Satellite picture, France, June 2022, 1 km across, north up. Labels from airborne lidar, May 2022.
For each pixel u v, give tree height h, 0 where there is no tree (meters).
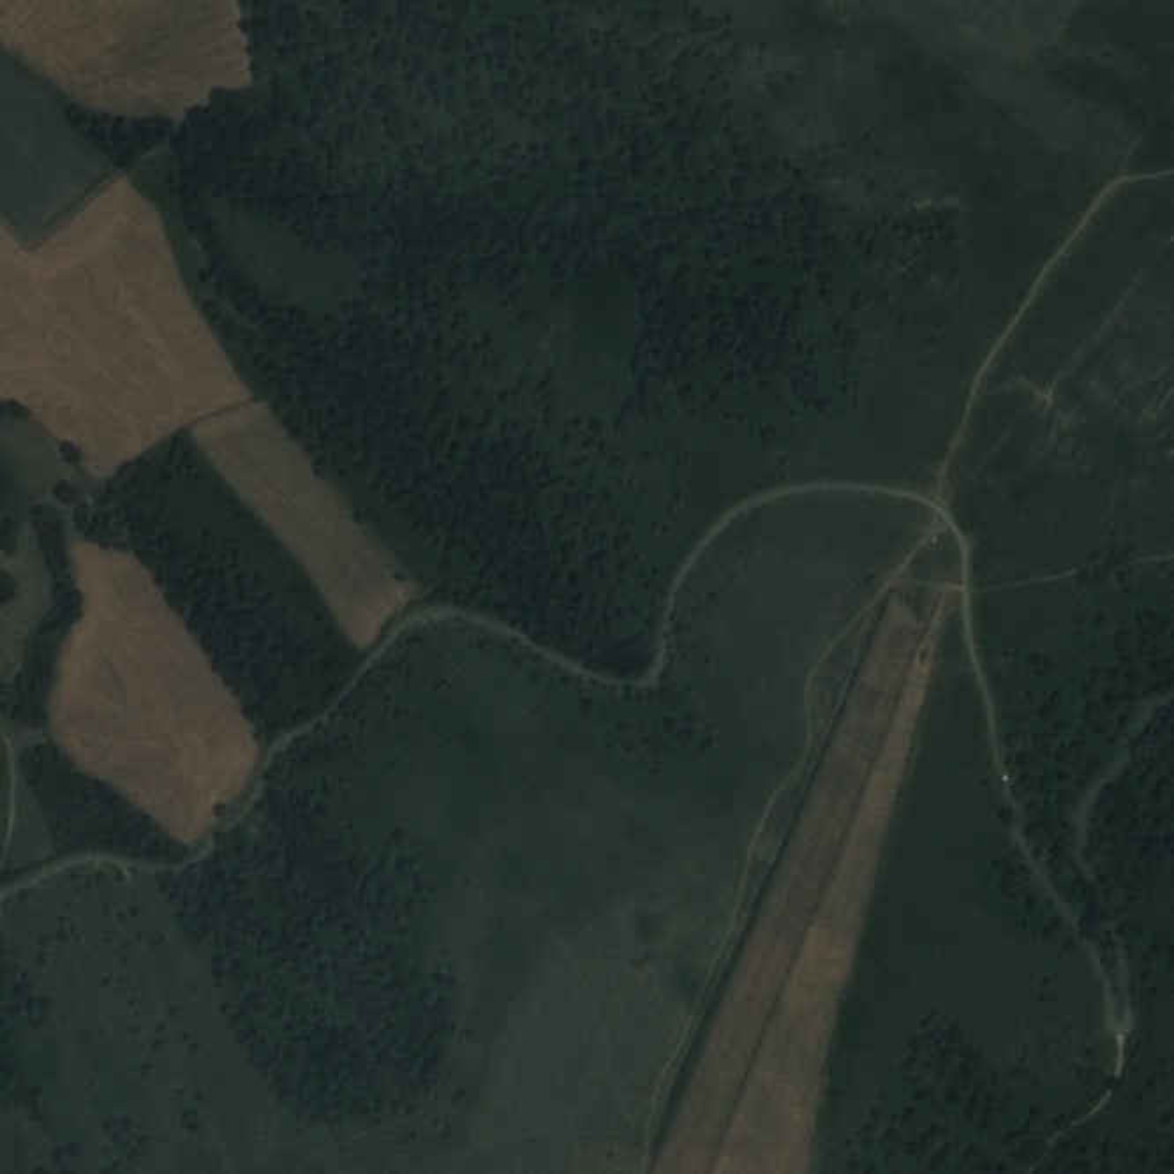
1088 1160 15
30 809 0
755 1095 0
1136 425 0
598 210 21
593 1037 0
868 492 0
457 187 12
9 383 0
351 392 20
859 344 10
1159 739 9
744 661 0
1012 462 0
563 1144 0
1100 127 0
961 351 0
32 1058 0
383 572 0
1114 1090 9
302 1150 0
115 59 0
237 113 12
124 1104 0
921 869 0
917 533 0
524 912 0
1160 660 11
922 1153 13
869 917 0
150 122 8
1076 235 0
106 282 0
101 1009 0
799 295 10
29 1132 0
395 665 6
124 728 0
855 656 0
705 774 0
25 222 0
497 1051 0
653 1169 0
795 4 0
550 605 18
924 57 0
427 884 9
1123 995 11
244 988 8
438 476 17
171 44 0
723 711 0
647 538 0
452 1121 0
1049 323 0
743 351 10
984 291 0
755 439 0
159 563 13
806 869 0
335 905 12
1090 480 0
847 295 0
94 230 0
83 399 0
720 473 0
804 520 0
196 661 0
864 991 0
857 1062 0
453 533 10
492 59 14
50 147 0
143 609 0
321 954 10
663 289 15
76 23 0
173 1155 0
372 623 0
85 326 0
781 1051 0
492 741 0
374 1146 0
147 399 0
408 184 11
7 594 20
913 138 0
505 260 10
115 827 10
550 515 0
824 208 10
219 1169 0
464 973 0
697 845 0
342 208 14
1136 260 0
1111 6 0
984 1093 16
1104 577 11
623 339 0
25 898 10
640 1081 0
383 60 10
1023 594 0
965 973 0
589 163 18
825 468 0
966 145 0
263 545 0
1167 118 0
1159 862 11
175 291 0
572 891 0
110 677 0
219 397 0
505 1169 0
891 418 0
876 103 0
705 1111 0
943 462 0
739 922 0
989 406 0
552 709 0
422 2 14
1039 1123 14
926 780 0
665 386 11
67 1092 0
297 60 9
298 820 14
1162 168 0
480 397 8
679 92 9
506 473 17
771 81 6
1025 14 0
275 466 0
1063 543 0
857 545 0
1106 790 6
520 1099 0
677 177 9
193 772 0
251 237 0
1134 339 0
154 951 0
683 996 0
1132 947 9
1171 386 0
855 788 0
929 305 0
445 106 9
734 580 0
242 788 0
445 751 0
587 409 0
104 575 0
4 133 0
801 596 0
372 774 0
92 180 0
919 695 0
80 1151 10
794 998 0
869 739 0
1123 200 0
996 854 0
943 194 0
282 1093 7
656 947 0
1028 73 0
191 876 9
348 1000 10
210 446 0
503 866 0
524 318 9
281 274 0
